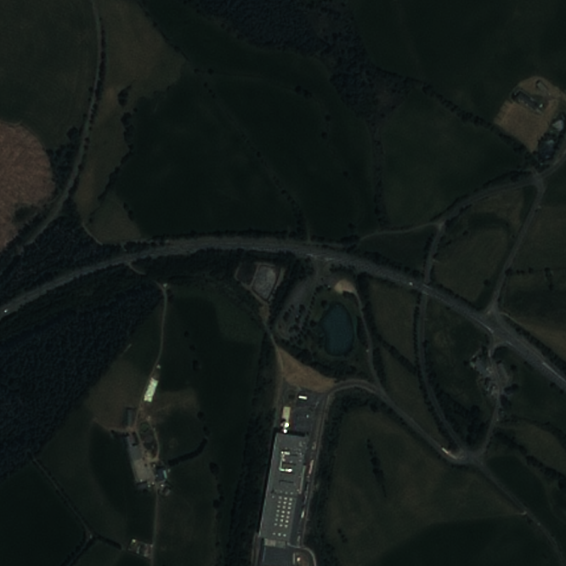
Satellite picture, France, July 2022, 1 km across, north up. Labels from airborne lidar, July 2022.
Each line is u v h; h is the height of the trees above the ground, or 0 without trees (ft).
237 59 0
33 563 0
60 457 0
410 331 0
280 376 0
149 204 0
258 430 28
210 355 0
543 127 0
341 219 0
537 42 0
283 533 0
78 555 34
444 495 0
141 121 0
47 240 49
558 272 0
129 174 0
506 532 0
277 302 23
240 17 66
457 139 0
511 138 23
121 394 0
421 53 0
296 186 0
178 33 0
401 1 0
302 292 0
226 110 0
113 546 38
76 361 85
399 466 0
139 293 70
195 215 0
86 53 0
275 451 0
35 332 72
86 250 79
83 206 0
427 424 0
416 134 0
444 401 54
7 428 87
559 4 0
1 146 0
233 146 0
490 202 0
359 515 0
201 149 0
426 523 0
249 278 0
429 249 36
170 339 0
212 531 0
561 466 0
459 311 0
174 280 27
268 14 73
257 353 0
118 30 0
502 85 0
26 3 0
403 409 0
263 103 0
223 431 0
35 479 0
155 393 0
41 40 0
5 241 0
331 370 32
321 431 0
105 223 0
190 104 0
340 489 0
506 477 0
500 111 0
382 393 0
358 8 0
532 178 0
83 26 0
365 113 22
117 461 0
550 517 0
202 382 0
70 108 0
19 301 0
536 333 0
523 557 0
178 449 0
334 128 0
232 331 0
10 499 0
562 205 0
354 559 0
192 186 0
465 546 0
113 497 0
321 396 0
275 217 0
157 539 0
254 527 27
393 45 0
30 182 0
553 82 0
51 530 0
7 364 88
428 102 0
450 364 0
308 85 0
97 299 36
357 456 0
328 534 0
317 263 0
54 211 0
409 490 0
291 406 0
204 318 0
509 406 59
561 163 0
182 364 0
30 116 0
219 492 28
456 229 0
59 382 72
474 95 0
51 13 0
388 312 0
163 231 0
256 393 20
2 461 90
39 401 74
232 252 26
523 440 0
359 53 59
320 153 0
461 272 0
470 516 0
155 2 0
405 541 0
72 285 38
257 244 0
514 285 0
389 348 27
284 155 0
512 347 0
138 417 0
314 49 66
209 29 0
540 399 0
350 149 0
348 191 0
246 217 0
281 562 0
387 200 0
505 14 0
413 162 0
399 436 0
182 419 0
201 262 33
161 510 0
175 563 0
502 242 0
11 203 0
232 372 0
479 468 0
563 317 0
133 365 0
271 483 0
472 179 0
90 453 0
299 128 0
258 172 0
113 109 0
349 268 21
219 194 0
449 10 0
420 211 0
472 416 45
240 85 0
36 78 0
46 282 32
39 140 0
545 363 0
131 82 0
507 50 0
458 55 0
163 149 0
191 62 0
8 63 0
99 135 0
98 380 34
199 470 0
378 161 0
